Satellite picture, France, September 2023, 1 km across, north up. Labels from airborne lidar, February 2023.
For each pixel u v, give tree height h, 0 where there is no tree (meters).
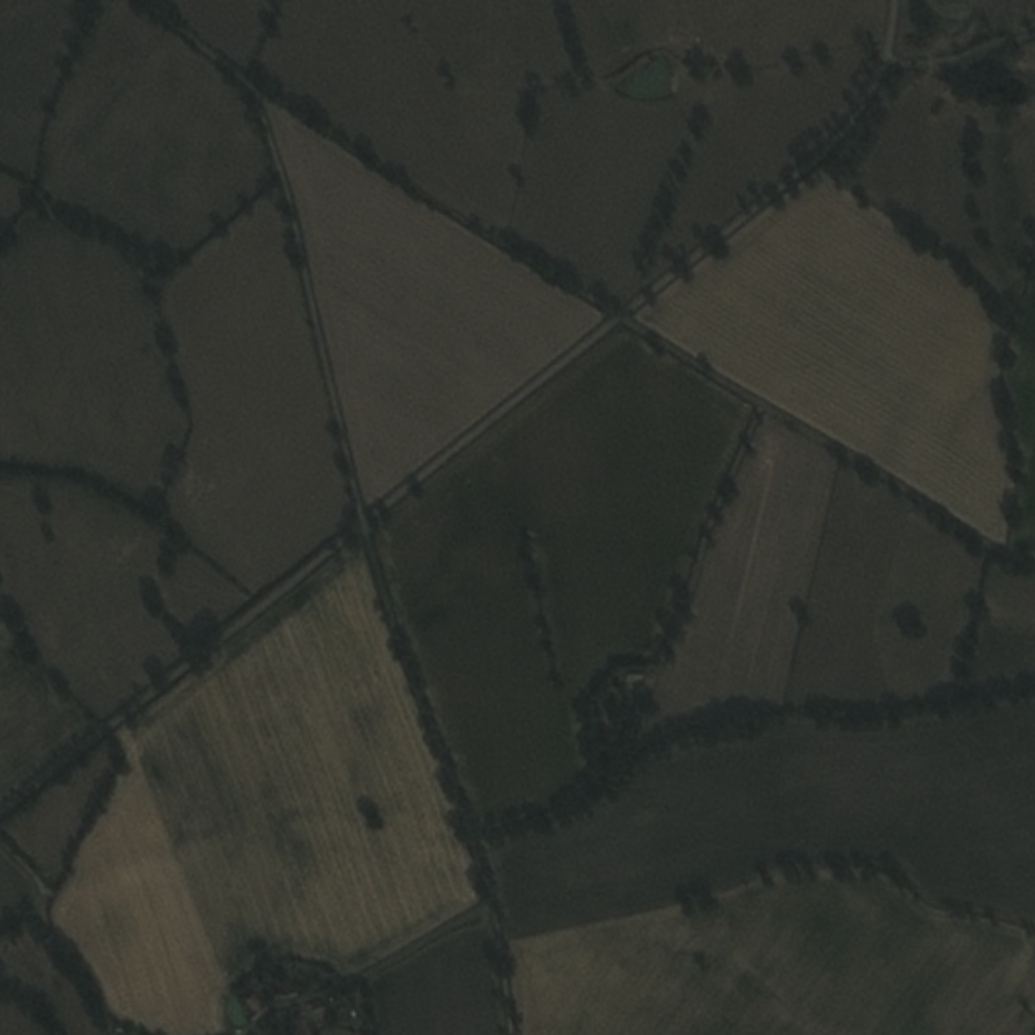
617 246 0
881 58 15
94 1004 21
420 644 0
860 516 0
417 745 0
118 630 0
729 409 0
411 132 0
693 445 0
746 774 0
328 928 0
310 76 0
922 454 0
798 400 0
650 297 14
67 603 0
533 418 0
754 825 0
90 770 0
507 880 0
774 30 0
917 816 0
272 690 0
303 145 0
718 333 0
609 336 0
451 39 0
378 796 0
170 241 0
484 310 0
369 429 0
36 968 0
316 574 0
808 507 0
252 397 0
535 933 0
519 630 0
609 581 0
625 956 0
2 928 12
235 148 0
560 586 0
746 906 0
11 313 0
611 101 0
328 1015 14
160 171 0
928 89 0
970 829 0
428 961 0
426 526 0
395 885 0
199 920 0
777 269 0
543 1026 0
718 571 0
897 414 0
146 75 0
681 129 0
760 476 0
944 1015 0
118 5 0
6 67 0
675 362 0
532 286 0
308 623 0
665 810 0
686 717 0
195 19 0
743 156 0
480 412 0
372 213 0
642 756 17
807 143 15
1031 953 0
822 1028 0
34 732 0
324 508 0
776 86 0
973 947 0
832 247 0
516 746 0
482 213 0
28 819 0
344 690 0
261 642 0
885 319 0
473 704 0
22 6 0
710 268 0
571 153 0
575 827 0
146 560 0
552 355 0
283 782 0
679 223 0
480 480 0
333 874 0
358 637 0
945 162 0
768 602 0
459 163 0
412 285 0
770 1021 0
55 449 0
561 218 0
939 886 0
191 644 14
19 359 0
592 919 0
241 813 0
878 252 0
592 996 0
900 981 0
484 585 0
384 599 0
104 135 0
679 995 0
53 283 0
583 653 0
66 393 0
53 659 0
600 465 0
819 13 0
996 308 23
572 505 0
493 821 16
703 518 0
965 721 0
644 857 0
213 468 0
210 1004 0
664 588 0
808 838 0
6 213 0
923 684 0
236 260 0
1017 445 21
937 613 0
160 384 0
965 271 19
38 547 0
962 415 0
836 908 0
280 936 0
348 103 0
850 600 0
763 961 0
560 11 15
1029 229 14
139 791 0
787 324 0
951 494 0
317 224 0
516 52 0
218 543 0
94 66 0
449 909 0
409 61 0
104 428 0
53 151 0
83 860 0
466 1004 0
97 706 0
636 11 0
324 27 0
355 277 0
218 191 0
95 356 0
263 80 18
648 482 0
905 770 0
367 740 0
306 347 0
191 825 0
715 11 0
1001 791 0
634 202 0
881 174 0
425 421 0
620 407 0
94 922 0
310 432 0
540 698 0
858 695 0
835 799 0
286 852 0
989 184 0
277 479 0
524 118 14
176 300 0
